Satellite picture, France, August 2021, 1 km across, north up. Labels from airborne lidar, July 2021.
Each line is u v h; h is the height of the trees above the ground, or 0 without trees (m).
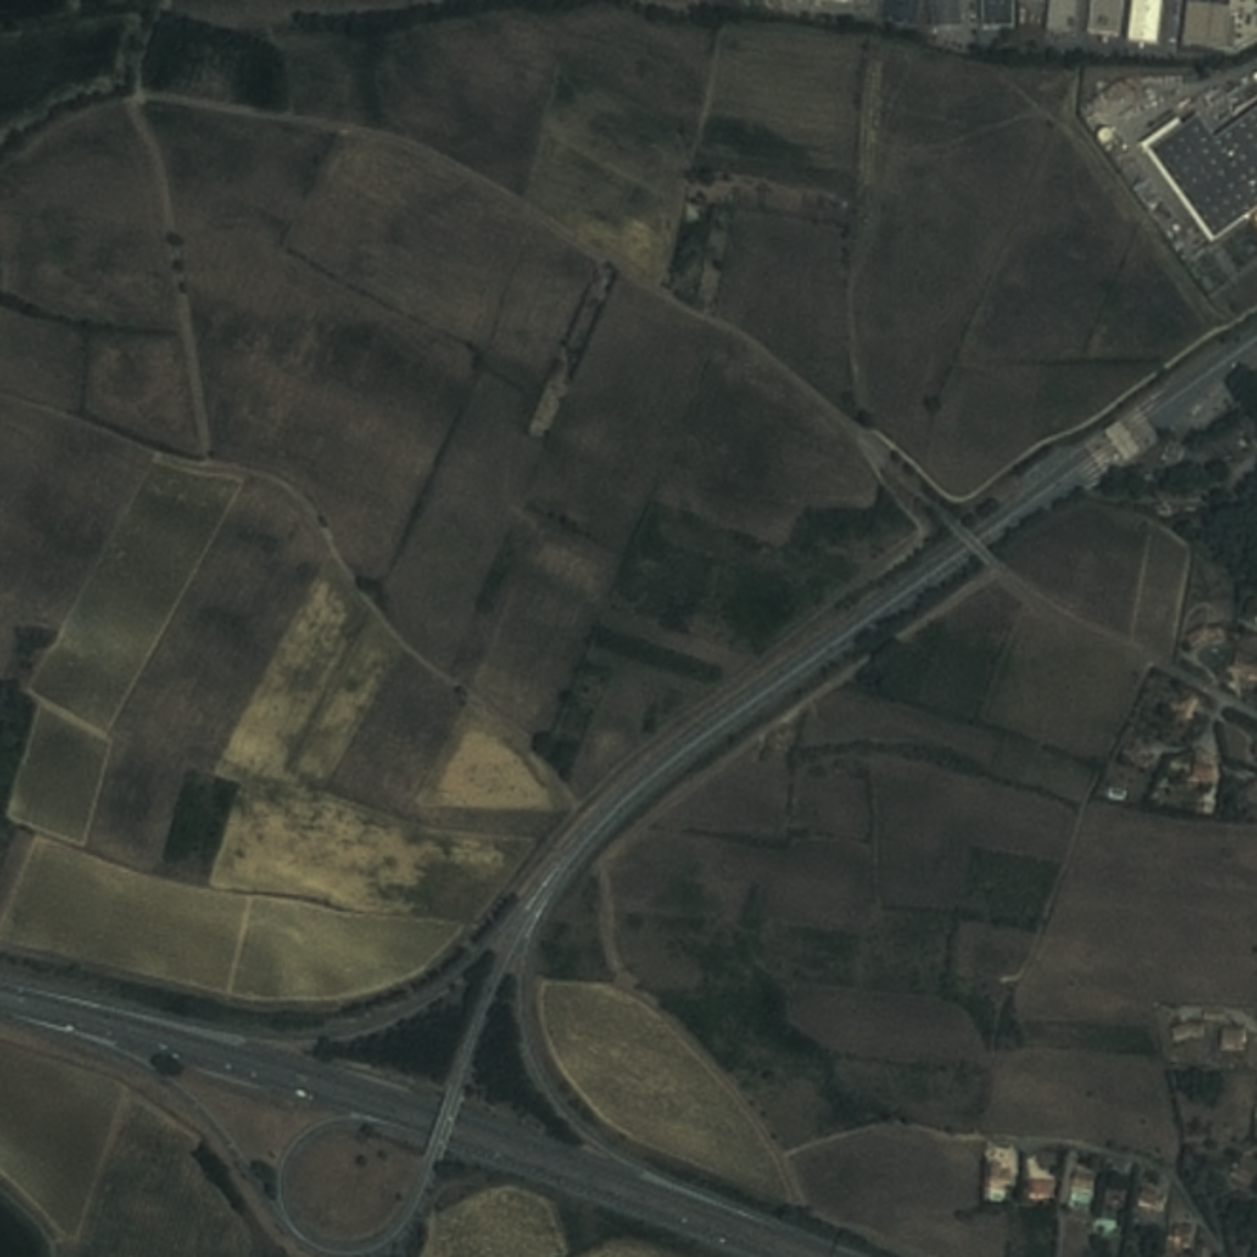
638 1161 0
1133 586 0
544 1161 0
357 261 0
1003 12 0
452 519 0
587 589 0
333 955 0
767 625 0
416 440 0
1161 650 0
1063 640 0
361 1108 0
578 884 0
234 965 0
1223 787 9
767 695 0
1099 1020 0
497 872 0
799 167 0
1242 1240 12
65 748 0
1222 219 0
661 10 11
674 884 0
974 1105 0
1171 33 0
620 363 0
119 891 0
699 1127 0
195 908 0
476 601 0
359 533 0
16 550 0
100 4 7
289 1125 0
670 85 0
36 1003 0
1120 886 0
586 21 0
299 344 0
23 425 0
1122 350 0
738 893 0
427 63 0
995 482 0
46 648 8
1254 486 12
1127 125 0
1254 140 0
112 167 0
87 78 0
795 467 0
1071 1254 0
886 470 0
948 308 0
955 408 0
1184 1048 0
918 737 0
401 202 0
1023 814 0
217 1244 0
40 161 0
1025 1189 6
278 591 0
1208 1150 6
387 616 0
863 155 0
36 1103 0
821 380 0
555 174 0
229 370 0
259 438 0
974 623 0
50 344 0
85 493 0
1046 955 0
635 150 0
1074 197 0
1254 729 6
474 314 0
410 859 0
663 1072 0
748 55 0
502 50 0
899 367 0
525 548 0
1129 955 0
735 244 0
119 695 0
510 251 0
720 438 0
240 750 0
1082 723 0
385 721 0
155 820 0
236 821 0
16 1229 0
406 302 0
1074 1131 0
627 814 0
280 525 0
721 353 0
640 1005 0
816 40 0
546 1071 0
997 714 0
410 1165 0
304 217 0
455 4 13
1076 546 0
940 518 8
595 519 0
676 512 0
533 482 0
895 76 0
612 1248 0
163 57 6
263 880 0
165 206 0
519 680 0
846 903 0
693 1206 0
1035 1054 0
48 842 0
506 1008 7
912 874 0
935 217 0
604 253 0
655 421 0
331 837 0
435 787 0
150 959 0
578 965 0
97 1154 0
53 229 0
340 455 0
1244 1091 0
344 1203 0
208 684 0
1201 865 0
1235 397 10
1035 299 0
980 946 0
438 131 0
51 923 0
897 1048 0
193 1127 0
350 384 0
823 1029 0
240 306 0
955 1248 0
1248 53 7
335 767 0
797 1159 0
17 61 0
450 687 0
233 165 0
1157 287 0
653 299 0
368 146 0
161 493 0
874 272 0
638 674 0
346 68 0
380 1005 11
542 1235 0
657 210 0
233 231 0
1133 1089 0
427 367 0
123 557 0
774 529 0
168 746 0
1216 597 0
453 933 0
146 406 0
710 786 0
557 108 0
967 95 0
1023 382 0
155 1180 0
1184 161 0
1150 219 0
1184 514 7
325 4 0
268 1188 10
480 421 0
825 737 0
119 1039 0
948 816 0
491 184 0
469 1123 0
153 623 0
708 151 0
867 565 0
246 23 0
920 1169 0
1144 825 0
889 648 10
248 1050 0
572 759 10
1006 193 0
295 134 0
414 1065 7
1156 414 0
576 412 0
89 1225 0
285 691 0
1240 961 0
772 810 0
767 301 0
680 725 0
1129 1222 9
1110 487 12
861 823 0
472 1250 0
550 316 0
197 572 0
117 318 0
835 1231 13
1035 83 0
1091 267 0
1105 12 0
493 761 0
